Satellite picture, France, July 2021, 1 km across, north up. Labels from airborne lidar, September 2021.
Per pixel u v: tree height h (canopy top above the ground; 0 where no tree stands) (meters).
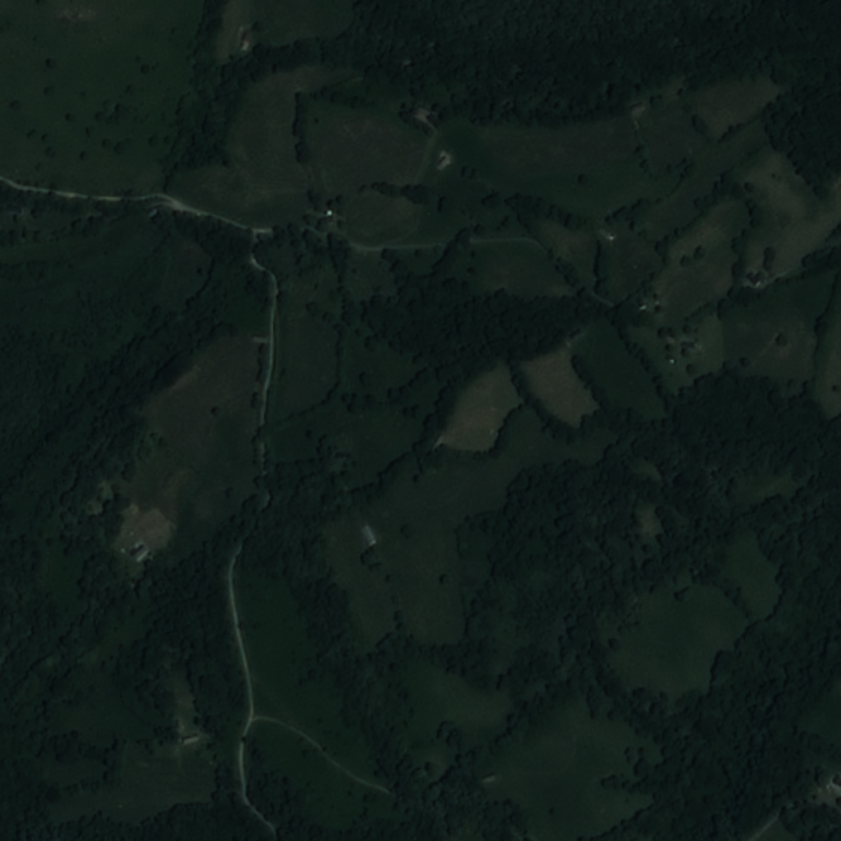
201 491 0
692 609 0
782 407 21
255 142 0
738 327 0
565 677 18
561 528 20
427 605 0
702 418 20
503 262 0
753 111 0
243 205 0
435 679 0
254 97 0
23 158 0
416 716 7
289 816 11
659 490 18
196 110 6
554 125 23
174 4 0
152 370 8
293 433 0
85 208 17
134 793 0
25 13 0
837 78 15
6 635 12
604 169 0
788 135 19
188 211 9
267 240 13
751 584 0
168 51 0
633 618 6
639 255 0
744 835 22
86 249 0
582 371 21
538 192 0
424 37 24
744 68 17
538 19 10
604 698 11
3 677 7
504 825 13
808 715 9
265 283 11
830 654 25
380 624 0
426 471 16
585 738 0
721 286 0
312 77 0
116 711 0
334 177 0
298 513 16
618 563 24
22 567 9
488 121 18
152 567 19
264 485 14
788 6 21
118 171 0
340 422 0
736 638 0
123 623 7
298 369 0
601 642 11
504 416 0
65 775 0
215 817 17
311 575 15
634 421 21
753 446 24
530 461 0
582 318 18
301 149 16
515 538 10
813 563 14
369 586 0
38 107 0
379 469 0
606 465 15
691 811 23
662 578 12
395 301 13
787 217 0
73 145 0
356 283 0
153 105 0
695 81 17
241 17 0
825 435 12
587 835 0
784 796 12
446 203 18
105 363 8
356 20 7
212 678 8
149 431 16
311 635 6
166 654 14
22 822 14
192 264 0
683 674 0
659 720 22
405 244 0
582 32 16
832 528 22
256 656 0
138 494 0
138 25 0
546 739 0
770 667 21
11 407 6
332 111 0
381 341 17
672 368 0
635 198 0
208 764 0
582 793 0
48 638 14
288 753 0
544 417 16
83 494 19
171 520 0
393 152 0
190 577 15
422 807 15
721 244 0
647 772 20
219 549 17
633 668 0
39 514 6
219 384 0
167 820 13
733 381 8
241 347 0
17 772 12
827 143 19
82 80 0
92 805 0
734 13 9
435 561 0
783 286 15
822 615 8
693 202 0
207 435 0
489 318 11
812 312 0
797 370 0
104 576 15
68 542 20
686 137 0
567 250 0
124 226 0
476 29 16
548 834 0
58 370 7
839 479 23
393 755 19
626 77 30
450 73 14
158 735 11
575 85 25
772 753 22
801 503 18
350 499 18
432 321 9
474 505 0
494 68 27
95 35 0
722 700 23
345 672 11
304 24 0
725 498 7
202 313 8
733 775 30
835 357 0
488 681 8
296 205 0
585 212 0
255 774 11
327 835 20
